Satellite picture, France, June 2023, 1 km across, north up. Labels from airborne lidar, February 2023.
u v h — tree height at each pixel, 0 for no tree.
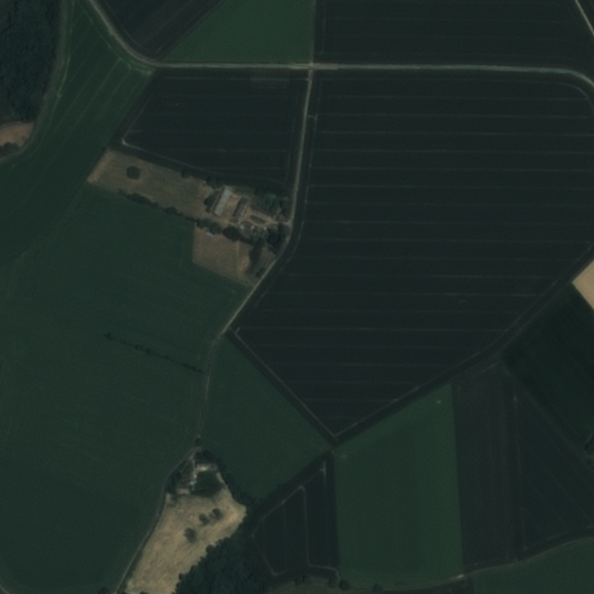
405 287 0
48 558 0
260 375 0
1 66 12
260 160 0
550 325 0
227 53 0
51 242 0
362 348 0
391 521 0
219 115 0
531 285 0
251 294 0
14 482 0
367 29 0
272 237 13
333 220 0
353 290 0
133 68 0
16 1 0
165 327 0
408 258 0
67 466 0
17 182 0
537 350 0
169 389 0
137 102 0
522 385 0
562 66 0
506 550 0
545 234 0
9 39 16
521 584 0
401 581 0
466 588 0
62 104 0
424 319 0
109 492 0
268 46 0
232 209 0
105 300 0
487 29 0
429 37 0
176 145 0
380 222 0
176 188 0
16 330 0
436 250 0
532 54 0
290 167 0
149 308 0
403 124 0
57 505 0
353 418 0
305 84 0
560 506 0
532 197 0
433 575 0
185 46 0
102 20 0
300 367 0
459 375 0
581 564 0
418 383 0
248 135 0
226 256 0
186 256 0
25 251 0
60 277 0
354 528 0
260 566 0
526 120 0
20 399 0
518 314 0
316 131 0
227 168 0
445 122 0
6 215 0
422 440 0
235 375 0
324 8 0
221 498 0
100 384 0
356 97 0
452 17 0
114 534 0
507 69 0
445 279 0
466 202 0
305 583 13
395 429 0
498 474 0
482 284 0
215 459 7
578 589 0
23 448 0
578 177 0
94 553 0
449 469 0
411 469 0
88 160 0
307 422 0
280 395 0
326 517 0
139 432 0
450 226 0
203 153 0
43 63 19
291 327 0
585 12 0
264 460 0
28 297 0
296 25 0
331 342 0
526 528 0
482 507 0
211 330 0
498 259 0
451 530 0
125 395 0
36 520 0
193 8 0
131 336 0
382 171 0
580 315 0
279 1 0
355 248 0
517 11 0
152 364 0
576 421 0
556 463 0
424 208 0
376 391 0
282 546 0
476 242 0
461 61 0
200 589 8
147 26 0
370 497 0
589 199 0
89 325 0
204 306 0
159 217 0
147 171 0
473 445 0
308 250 0
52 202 0
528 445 0
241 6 0
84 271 0
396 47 0
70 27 0
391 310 0
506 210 0
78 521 0
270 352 0
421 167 0
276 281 0
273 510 0
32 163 0
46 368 0
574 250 0
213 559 14
